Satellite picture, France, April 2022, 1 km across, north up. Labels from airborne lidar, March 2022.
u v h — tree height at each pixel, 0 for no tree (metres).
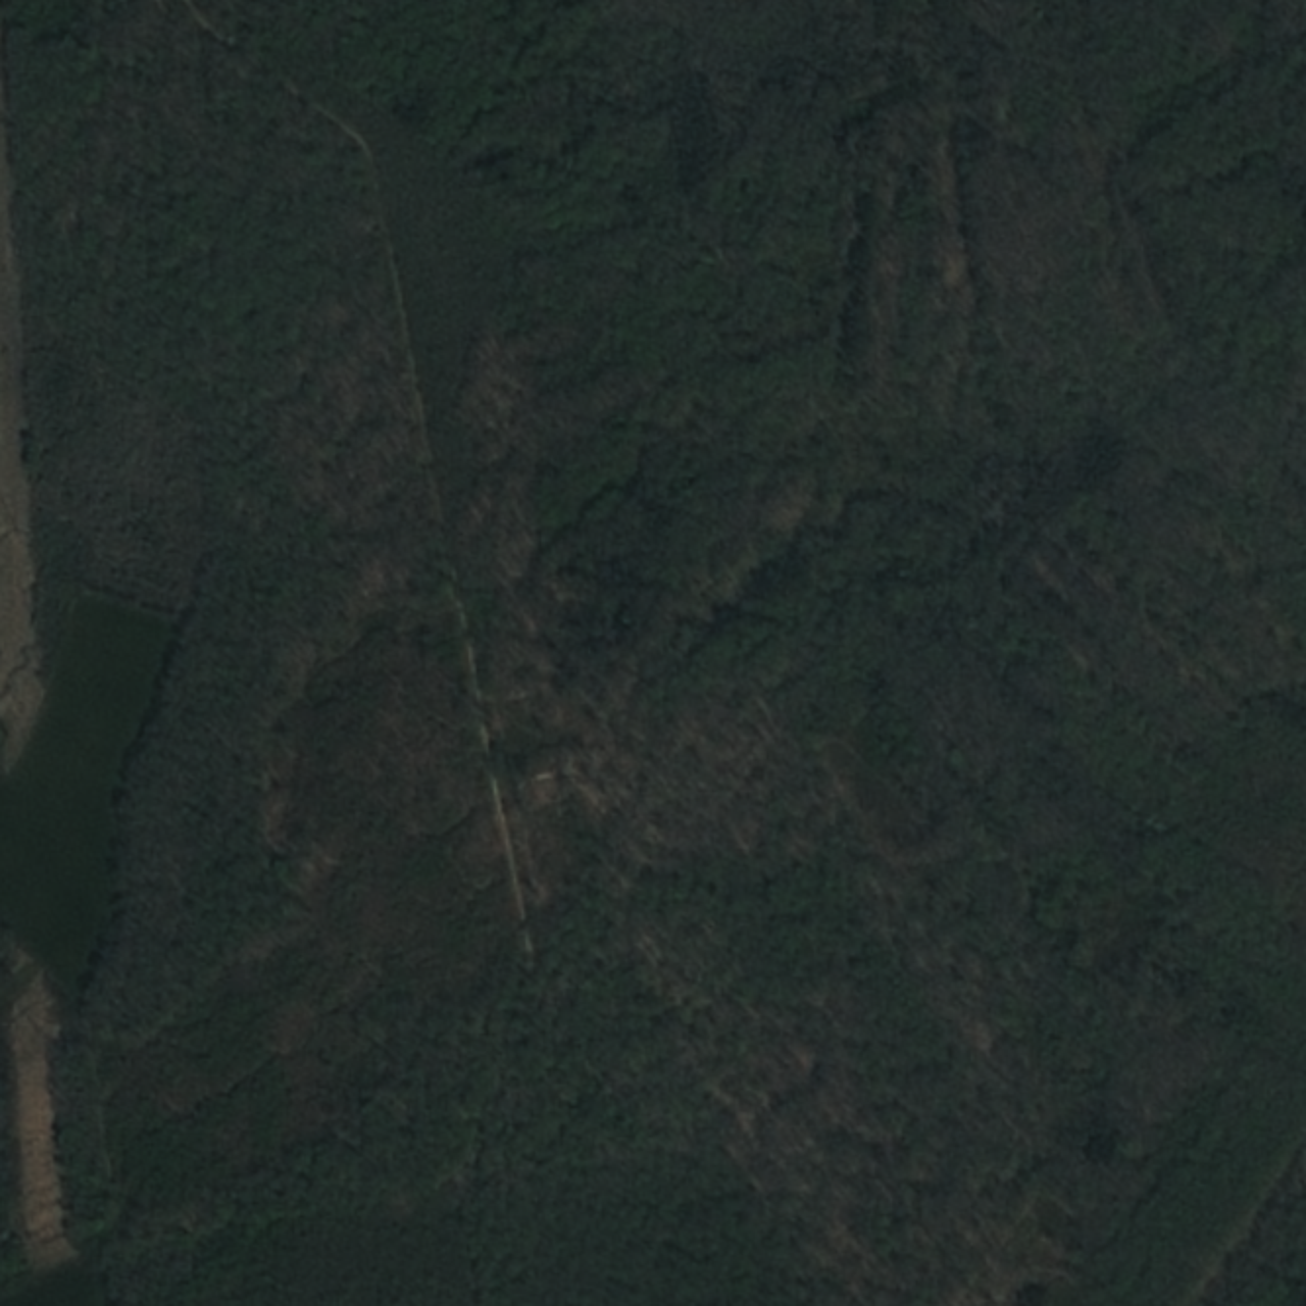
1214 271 21
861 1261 8
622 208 26
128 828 18
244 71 22
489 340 20
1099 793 23
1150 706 23
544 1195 25
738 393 23
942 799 20
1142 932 0
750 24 23
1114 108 27
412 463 22
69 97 24
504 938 6
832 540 6
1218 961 23
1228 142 22
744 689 27
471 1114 27
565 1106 23
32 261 24
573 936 22
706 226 27
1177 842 26
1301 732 18
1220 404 30
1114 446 21
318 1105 9
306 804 11
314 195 26
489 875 8
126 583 5
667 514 25
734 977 26
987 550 23
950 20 20
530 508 25
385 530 26
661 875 26
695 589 27
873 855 26
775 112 22
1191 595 27
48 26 12
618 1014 24
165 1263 17
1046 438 24
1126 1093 25
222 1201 21
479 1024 20
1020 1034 11
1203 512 29
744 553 24
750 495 24
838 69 25
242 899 27
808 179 25
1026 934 28
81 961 0
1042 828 23
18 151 19
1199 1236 25
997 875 21
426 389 11
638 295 21
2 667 0
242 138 24
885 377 23
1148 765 23
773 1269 23
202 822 25
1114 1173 25
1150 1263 24
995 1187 8
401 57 25
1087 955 28
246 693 23
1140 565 27
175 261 29
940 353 26
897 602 27
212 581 23
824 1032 31
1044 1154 28
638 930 26
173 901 26
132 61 26
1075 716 26
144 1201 9
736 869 27
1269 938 19
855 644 28
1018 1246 31
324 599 24
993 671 31
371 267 26
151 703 0
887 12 22
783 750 26
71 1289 0
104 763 0
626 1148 23
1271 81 26
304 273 27
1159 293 20
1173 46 26
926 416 26
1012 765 27
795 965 26
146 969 26
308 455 27
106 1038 27
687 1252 23
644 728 15
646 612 30
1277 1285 24
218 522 20
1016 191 26
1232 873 23
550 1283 22
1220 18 29
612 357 19
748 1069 17
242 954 27
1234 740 17
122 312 22
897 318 25
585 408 29
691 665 23
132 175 26
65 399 6
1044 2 22
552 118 23
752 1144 28
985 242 28
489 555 23
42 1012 0
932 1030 25
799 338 0
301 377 27
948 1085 28
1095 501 23
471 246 15
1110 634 26
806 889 25
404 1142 25
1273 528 23
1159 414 20
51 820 0
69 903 0
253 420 25
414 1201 15
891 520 27
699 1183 24
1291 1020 23
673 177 14
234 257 27
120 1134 12
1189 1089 28
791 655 26
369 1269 16
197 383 23
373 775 13
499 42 28
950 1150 30
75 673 0
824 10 25
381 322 24
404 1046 27
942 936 23
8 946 15
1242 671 30
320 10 24
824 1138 30
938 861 29
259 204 24
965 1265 29
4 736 0
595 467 28
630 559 28
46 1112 0
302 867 29
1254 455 29
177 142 23
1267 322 27
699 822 27
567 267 21
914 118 29
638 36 26
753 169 24
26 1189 22
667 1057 28
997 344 22
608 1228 25
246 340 21
